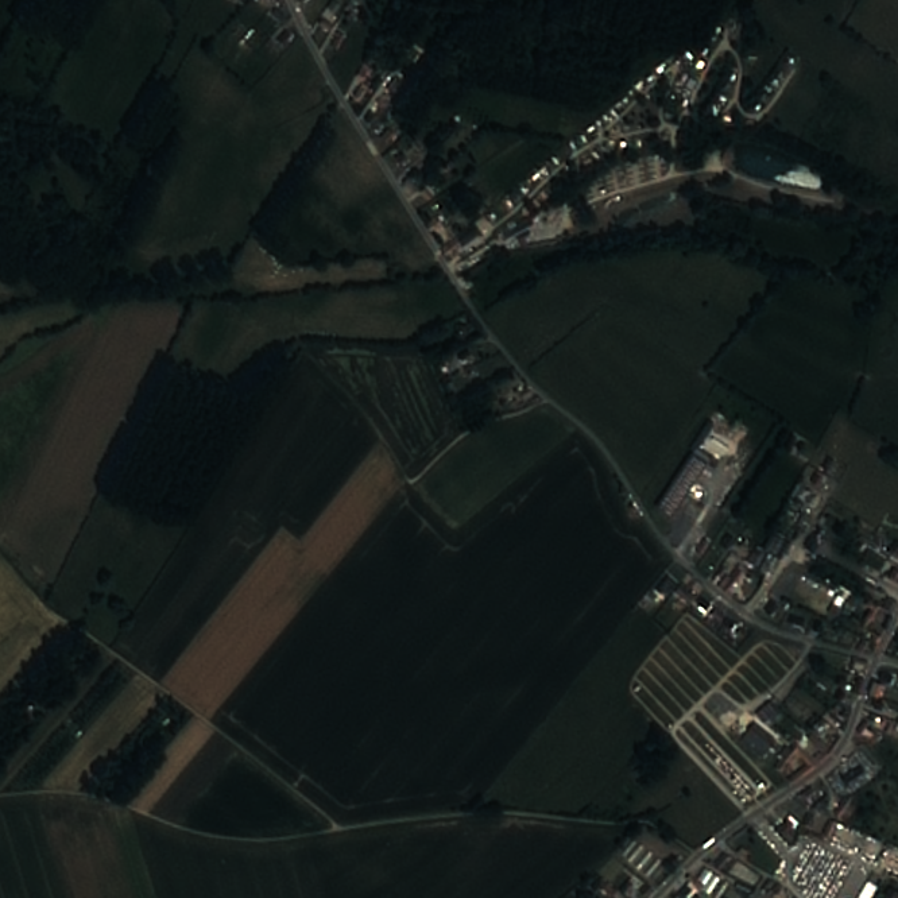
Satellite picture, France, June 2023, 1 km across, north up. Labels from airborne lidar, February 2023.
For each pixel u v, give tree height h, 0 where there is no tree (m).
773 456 15
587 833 0
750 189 0
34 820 0
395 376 0
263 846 0
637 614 0
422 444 0
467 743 0
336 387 0
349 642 0
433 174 14
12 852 0
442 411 0
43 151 24
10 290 0
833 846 0
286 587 0
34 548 0
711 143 6
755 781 0
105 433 0
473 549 0
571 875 0
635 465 0
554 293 0
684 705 0
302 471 0
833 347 0
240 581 0
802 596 0
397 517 0
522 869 0
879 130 0
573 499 0
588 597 0
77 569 0
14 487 0
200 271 32
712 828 0
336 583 0
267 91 0
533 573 0
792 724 0
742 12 23
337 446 0
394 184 0
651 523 0
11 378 0
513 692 0
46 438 0
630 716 0
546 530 0
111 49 0
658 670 0
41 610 0
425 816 0
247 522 0
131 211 29
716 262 0
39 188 0
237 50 0
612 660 0
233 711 0
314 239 0
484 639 0
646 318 0
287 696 0
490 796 0
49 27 35
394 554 0
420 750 0
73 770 0
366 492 0
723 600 0
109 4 0
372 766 0
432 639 0
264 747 0
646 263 0
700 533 0
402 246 0
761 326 0
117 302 9
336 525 0
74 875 0
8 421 0
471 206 27
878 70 0
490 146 0
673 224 0
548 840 0
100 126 0
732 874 0
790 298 0
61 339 0
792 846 0
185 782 0
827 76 10
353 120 0
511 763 0
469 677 0
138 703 0
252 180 0
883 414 0
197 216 0
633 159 12
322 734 0
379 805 0
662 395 0
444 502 0
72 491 0
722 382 7
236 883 0
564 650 0
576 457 0
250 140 0
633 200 0
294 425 0
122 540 0
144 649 0
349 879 0
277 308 0
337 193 0
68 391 0
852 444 0
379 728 0
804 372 0
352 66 0
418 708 0
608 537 0
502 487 0
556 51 23
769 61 0
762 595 0
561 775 0
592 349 0
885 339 0
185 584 0
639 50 10
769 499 0
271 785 0
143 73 0
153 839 0
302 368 0
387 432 0
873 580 0
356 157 0
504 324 0
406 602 0
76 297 18
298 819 0
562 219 0
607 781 0
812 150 14
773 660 0
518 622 0
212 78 0
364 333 0
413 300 0
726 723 0
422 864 0
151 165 26
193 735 0
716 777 0
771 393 0
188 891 0
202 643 0
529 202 11
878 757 0
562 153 0
